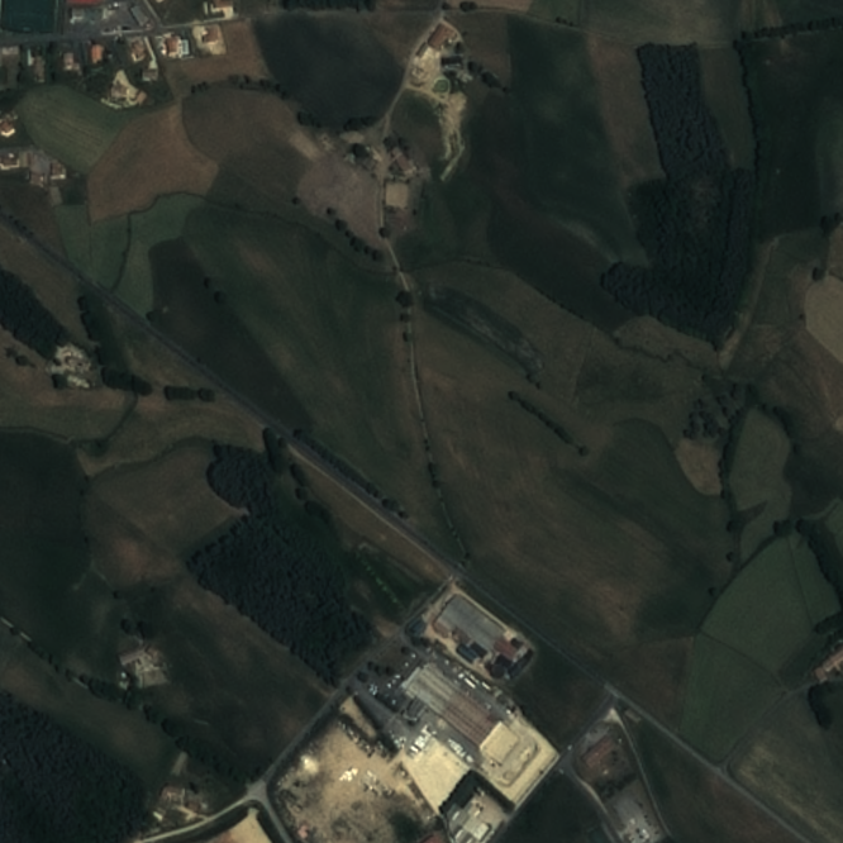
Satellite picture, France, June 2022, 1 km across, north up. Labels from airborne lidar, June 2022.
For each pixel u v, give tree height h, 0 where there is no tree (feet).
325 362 0
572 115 0
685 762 0
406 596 0
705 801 0
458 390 0
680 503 0
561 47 0
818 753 0
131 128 0
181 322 0
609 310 0
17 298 79
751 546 0
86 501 0
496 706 0
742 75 0
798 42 0
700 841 0
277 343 0
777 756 0
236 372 0
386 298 0
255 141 0
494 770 0
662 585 0
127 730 0
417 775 0
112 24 0
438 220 0
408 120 0
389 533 0
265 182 0
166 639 0
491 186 0
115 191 0
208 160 0
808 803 0
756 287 0
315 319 0
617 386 0
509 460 0
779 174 0
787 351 0
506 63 0
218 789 0
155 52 0
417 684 0
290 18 0
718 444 0
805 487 0
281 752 0
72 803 77
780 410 45
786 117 0
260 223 0
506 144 0
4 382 0
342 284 0
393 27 0
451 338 0
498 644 0
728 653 0
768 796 0
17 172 0
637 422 0
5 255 0
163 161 0
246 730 0
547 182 0
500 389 0
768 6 0
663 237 29
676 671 0
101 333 46
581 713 0
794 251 0
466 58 0
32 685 0
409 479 0
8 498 0
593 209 0
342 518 0
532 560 0
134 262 0
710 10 0
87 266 0
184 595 0
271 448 50
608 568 0
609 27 0
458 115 0
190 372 0
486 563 0
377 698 30
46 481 0
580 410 0
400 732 0
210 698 0
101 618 0
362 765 0
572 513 0
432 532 0
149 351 0
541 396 0
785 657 0
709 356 0
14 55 0
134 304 0
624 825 0
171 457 0
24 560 0
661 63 59
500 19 0
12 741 68
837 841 0
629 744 0
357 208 0
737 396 38
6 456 0
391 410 0
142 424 0
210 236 0
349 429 0
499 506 0
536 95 0
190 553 0
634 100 0
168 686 0
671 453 0
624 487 0
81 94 0
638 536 0
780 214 0
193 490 0
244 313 0
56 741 68
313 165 0
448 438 0
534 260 0
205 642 0
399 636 0
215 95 0
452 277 0
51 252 0
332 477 0
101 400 0
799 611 0
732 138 0
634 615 0
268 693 0
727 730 0
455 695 0
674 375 0
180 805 0
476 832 0
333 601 60
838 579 75
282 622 75
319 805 0
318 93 0
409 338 43
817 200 0
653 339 0
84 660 0
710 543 0
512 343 0
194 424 0
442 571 0
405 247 0
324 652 50
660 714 0
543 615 0
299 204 40
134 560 0
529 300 0
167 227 0
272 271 0
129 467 0
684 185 55
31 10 0
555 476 0
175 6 0
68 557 0
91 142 0
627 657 0
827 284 0
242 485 63
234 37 0
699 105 68
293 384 0
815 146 0
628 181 0
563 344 0
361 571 0
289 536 89
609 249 0
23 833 59
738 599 0
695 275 21
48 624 0
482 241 0
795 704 0
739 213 69
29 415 0
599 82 0
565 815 0
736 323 51
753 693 0
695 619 0
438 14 0
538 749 0
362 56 0
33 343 81
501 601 0
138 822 66
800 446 40
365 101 0
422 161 0
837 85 0
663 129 62
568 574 0
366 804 0
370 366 0
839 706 0
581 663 0
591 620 0
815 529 62
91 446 0
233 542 71
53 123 0
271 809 0
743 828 0
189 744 64
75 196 0
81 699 0
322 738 0
